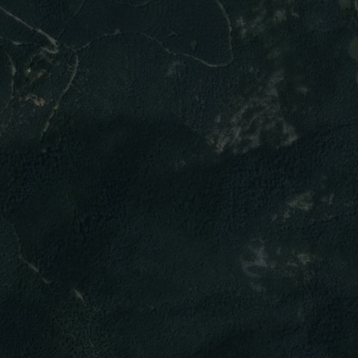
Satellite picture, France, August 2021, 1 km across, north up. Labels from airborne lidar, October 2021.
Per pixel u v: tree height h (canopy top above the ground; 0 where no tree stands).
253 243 12
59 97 9
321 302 21
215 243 13
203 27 15
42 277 11
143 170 15
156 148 15
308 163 14
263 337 14
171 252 10
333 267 10
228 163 24
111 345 9
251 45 12
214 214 18
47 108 13
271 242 12
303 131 15
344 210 12
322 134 15
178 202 14
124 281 11
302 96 8
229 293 18
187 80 19
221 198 18
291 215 11
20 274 13
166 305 21
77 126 20
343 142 10
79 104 12
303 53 10
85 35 17
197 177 13
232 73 11
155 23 9
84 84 13
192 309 23
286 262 11
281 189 11
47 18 19
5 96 10
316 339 17
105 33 14
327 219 9
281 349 16
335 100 11
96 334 15
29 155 32
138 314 15
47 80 14
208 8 13
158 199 15
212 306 23
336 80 15
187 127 18
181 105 10
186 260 16
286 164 15
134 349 7
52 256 21
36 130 12
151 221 17
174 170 10
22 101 8
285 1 12
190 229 15
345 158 16
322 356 12
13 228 15
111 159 24
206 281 10
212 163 10
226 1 10
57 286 18
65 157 23
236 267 8
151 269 17
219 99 18
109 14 17
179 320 10
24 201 18
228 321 12
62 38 21
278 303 11
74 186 17
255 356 16
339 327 18
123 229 18
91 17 15
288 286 11
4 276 11
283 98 8
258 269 9
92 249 22
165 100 10
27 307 14
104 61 14
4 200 27
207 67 14
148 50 12
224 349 19
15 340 23
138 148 21
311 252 7
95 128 20
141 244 16
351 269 13
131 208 16
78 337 14
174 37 15
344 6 0
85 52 16
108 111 10
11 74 12
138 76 11
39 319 20
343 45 13
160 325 16
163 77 10
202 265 12
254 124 8
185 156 8
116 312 15
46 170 18
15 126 11
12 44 17
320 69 13
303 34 9
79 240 31
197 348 9
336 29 20
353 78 13
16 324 21
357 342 14
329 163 13
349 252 16
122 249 20
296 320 23
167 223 16
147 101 11
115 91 9
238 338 16
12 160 18
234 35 13
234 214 11
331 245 12
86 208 25
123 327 16
